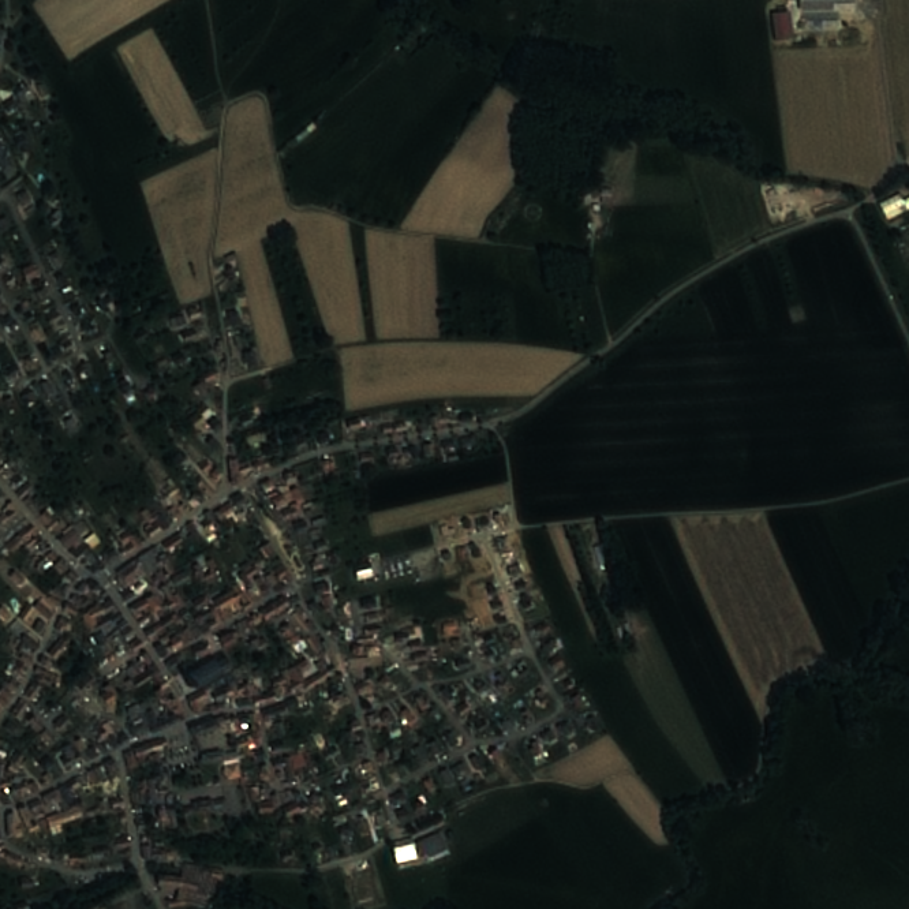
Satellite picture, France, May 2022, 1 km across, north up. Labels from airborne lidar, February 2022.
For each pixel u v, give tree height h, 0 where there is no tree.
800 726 0
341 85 0
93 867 0
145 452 0
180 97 0
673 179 0
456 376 0
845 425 0
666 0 0
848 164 0
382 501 0
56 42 0
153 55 0
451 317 9
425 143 0
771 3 0
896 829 0
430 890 0
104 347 0
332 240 0
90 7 0
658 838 0
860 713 22
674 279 0
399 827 0
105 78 0
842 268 0
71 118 0
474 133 0
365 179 0
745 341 0
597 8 0
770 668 0
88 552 0
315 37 0
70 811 0
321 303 0
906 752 0
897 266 0
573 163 23
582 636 0
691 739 0
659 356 0
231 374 0
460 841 0
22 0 0
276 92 12
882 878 0
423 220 0
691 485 0
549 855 0
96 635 0
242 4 0
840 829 0
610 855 0
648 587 0
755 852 0
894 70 0
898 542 0
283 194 0
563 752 0
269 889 0
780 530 0
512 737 0
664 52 0
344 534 0
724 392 0
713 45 0
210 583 0
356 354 0
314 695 0
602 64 26
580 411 0
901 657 0
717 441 0
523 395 0
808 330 0
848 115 0
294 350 0
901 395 0
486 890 0
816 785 0
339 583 0
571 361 0
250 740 0
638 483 0
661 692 0
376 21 0
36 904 0
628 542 0
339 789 0
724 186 0
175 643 0
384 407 0
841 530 0
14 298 0
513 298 0
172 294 0
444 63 0
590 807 0
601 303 0
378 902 0
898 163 0
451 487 0
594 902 0
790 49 0
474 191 0
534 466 0
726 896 0
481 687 0
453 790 0
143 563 0
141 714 0
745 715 0
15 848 0
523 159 18
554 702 0
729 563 0
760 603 0
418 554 0
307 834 0
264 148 0
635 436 0
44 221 6
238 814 0
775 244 0
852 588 0
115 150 0
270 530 0
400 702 0
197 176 0
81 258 20
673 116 22
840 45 0
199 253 0
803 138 0
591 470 0
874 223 15
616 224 0
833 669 26
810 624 0
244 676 0
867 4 0
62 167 0
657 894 0
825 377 0
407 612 0
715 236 0
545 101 21
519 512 0
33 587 0
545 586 0
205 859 19
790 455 0
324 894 0
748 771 0
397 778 0
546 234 0
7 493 0
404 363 0
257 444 0
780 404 0
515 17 0
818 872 0
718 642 0
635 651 16
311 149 0
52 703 7
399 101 0
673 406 0
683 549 0
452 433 0
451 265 0
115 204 0
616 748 0
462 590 0
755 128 0
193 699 0
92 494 0
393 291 0
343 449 0
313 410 11
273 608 0
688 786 0
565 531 0
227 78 0
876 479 0
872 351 0
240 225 0
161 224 0
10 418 0
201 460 0
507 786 0
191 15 0
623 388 0
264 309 0
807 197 0
